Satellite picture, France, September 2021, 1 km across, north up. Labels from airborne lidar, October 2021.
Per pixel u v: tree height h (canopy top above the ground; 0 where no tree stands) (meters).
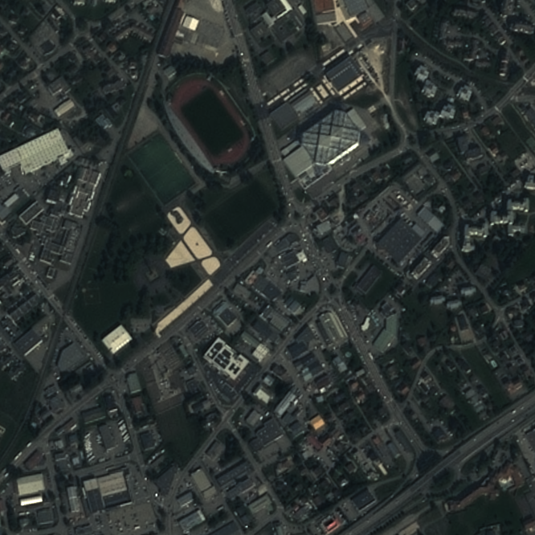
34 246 0
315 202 0
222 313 0
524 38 14
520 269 0
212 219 0
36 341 0
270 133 0
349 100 0
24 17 7
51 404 0
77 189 0
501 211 0
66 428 0
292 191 0
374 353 0
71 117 0
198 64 15
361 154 0
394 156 0
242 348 0
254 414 0
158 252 13
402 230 0
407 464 0
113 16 0
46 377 0
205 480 0
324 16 0
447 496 8
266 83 0
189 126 0
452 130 0
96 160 11
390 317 0
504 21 0
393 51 0
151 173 0
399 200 0
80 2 0
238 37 0
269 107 0
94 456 0
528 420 0
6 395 0
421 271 0
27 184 0
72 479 7
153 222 0
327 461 0
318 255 0
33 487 0
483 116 0
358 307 0
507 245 19
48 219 0
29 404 0
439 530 0
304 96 0
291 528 0
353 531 0
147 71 0
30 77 0
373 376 0
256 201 0
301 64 0
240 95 0
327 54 0
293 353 0
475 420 0
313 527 0
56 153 0
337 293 0
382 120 0
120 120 0
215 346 0
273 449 0
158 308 0
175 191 0
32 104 0
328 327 0
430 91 0
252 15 0
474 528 0
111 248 14
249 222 0
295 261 0
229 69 11
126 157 0
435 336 9
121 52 6
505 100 0
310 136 0
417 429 6
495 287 6
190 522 0
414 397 0
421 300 13
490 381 0
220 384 0
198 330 0
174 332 0
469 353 0
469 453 0
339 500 7
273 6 0
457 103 6
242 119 0
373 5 0
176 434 0
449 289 0
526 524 0
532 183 0
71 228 0
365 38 0
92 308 0
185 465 0
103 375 15
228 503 11
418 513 0
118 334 0
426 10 0
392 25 0
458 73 8
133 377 0
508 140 0
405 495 0
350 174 0
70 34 17
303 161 0
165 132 0
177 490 0
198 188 0
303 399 0
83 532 0
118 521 0
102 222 14
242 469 0
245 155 0
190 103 0
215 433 0
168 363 0
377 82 0
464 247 0
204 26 0
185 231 0
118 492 0
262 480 0
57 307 0
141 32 0
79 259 0
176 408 0
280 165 0
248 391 0
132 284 0
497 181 7
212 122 0
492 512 0
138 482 0
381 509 0
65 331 0
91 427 0
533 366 10
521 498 0
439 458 13
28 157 0
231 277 0
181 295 0
